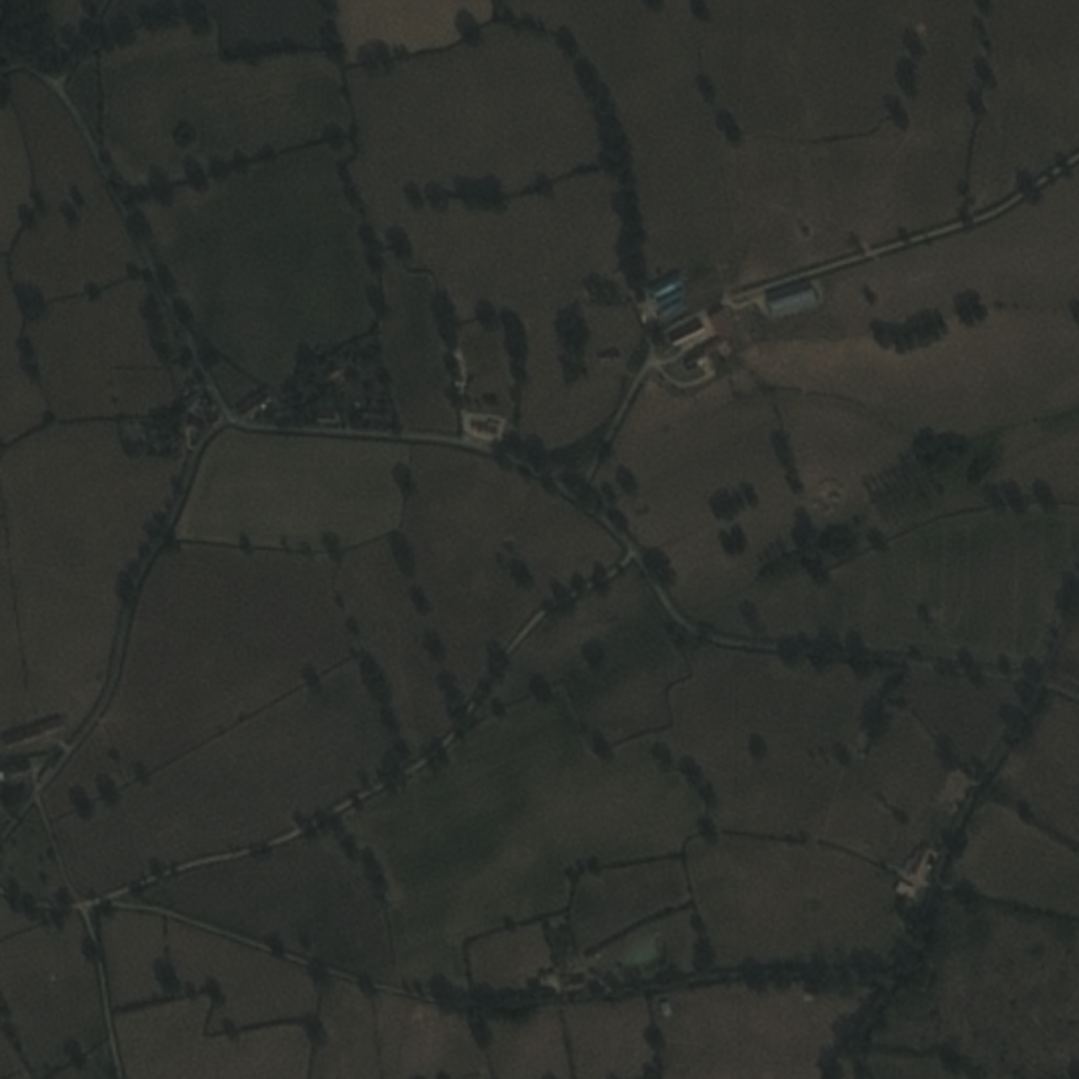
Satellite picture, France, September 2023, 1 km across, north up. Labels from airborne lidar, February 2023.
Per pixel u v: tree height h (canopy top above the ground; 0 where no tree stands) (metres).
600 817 0
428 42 0
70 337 0
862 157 0
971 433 0
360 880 0
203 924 0
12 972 0
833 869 0
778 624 0
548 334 0
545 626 0
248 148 0
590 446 0
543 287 0
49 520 0
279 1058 0
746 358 0
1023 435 0
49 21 12
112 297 0
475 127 0
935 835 0
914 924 14
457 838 0
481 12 0
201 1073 0
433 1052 0
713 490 0
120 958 0
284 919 0
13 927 0
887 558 0
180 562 0
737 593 0
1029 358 0
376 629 0
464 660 0
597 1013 0
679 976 14
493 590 0
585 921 0
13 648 0
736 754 0
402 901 0
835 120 0
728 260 0
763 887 0
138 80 0
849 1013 0
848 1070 0
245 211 0
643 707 0
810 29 0
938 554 0
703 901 0
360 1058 0
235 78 0
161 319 14
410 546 12
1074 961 0
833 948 0
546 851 0
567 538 0
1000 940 0
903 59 0
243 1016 0
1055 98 0
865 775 0
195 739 0
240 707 0
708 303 0
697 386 0
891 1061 0
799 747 0
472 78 0
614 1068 0
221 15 0
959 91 0
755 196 0
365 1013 0
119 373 0
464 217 0
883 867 8
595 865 10
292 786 0
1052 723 0
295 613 0
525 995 7
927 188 0
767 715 0
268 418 7
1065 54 0
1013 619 0
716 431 0
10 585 0
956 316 12
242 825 0
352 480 0
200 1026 0
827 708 0
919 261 0
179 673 0
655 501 0
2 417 0
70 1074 0
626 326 0
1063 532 0
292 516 0
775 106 0
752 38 0
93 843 0
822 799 0
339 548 13
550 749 0
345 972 0
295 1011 0
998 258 0
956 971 0
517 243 0
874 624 0
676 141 0
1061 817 0
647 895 0
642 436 0
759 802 0
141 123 0
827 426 0
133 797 0
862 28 0
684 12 0
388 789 15
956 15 0
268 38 0
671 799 0
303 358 16
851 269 0
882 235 0
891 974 14
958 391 0
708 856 0
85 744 0
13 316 0
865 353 0
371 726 0
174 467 0
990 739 0
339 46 18
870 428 0
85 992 0
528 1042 0
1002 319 0
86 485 0
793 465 15
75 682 0
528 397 0
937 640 0
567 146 0
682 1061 0
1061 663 0
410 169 0
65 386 0
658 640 0
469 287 0
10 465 0
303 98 0
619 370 0
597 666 16
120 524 0
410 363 0
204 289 0
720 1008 0
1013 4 0
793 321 0
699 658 0
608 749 13
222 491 0
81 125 0
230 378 0
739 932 0
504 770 0
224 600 0
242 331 0
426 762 16
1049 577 0
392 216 0
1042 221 0
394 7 0
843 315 0
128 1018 0
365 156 0
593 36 0
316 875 0
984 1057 0
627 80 0
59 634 0
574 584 10
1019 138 0
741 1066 0
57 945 0
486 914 0
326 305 0
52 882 0
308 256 0
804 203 0
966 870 0
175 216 0
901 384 0
